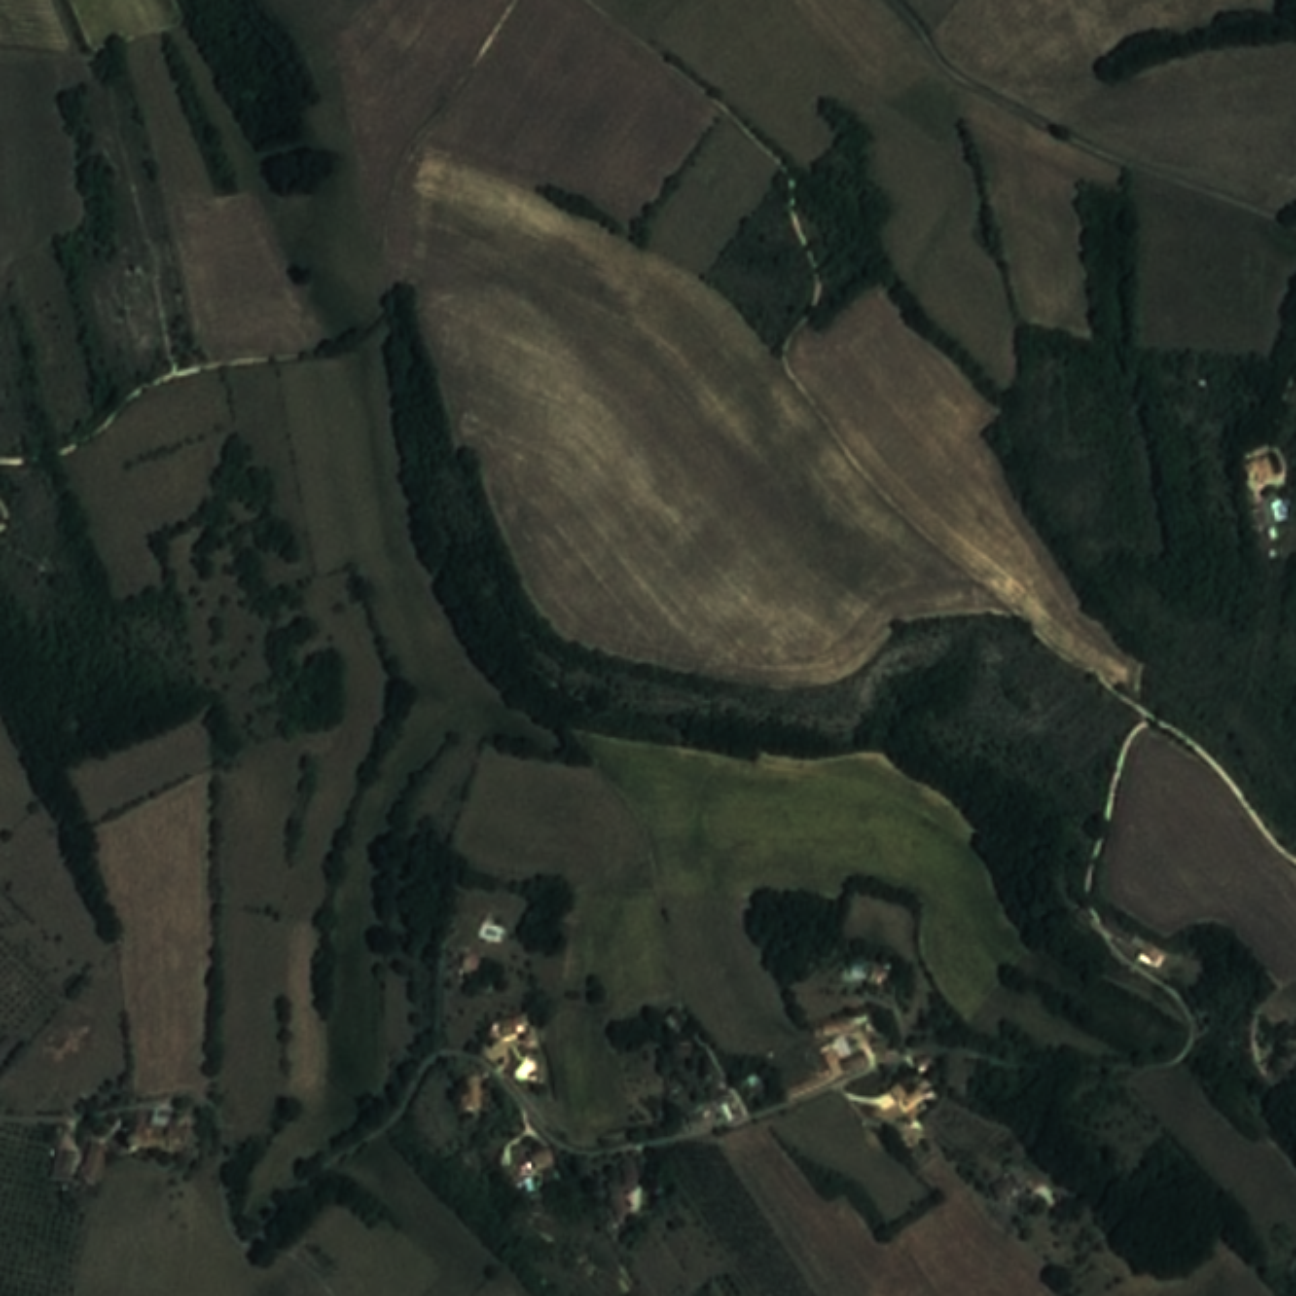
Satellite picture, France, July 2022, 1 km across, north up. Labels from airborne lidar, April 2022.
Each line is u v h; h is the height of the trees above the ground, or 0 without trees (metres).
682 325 0
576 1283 0
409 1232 0
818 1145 0
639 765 0
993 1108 10
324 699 17
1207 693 0
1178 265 0
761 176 0
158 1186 0
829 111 12
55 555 0
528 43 0
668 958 0
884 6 0
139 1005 0
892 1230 6
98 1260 0
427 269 0
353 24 0
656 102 0
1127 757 0
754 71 0
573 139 0
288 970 0
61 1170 0
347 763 0
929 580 0
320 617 0
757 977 0
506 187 0
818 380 0
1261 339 0
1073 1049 8
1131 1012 0
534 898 11
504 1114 6
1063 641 0
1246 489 7
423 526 16
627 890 0
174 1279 0
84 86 6
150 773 0
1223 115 0
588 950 0
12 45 0
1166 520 15
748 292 0
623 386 0
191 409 0
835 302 10
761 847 0
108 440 0
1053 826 17
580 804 0
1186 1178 12
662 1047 6
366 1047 0
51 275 0
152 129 0
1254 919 0
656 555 0
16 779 0
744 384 0
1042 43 0
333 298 0
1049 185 0
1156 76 0
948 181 0
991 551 0
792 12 0
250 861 0
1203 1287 0
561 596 0
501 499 0
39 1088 0
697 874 0
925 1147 6
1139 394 12
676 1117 12
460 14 0
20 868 0
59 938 10
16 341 0
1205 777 0
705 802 0
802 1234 0
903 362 0
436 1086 0
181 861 0
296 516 0
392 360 13
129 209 0
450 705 0
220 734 13
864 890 6
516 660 15
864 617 0
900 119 0
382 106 0
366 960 0
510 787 0
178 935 0
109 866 0
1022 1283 0
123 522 0
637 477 0
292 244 0
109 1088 10
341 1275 0
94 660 11
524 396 0
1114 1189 14
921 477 0
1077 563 10
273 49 22
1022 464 9
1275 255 0
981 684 0
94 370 7
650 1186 13
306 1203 11
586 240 0
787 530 0
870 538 0
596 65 0
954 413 0
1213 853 0
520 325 0
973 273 0
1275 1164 0
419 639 0
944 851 0
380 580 0
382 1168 0
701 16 0
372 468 0
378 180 0
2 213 0
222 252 0
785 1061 0
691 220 0
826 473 0
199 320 0
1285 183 0
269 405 0
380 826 0
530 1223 0
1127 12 0
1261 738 0
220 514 9
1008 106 0
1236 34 19
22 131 0
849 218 9
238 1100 0
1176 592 8
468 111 0
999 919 0
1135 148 0
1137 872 0
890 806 0
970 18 0
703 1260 0
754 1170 0
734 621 0
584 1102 0
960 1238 0
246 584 10
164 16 0
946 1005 8
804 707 0
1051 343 8
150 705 12
